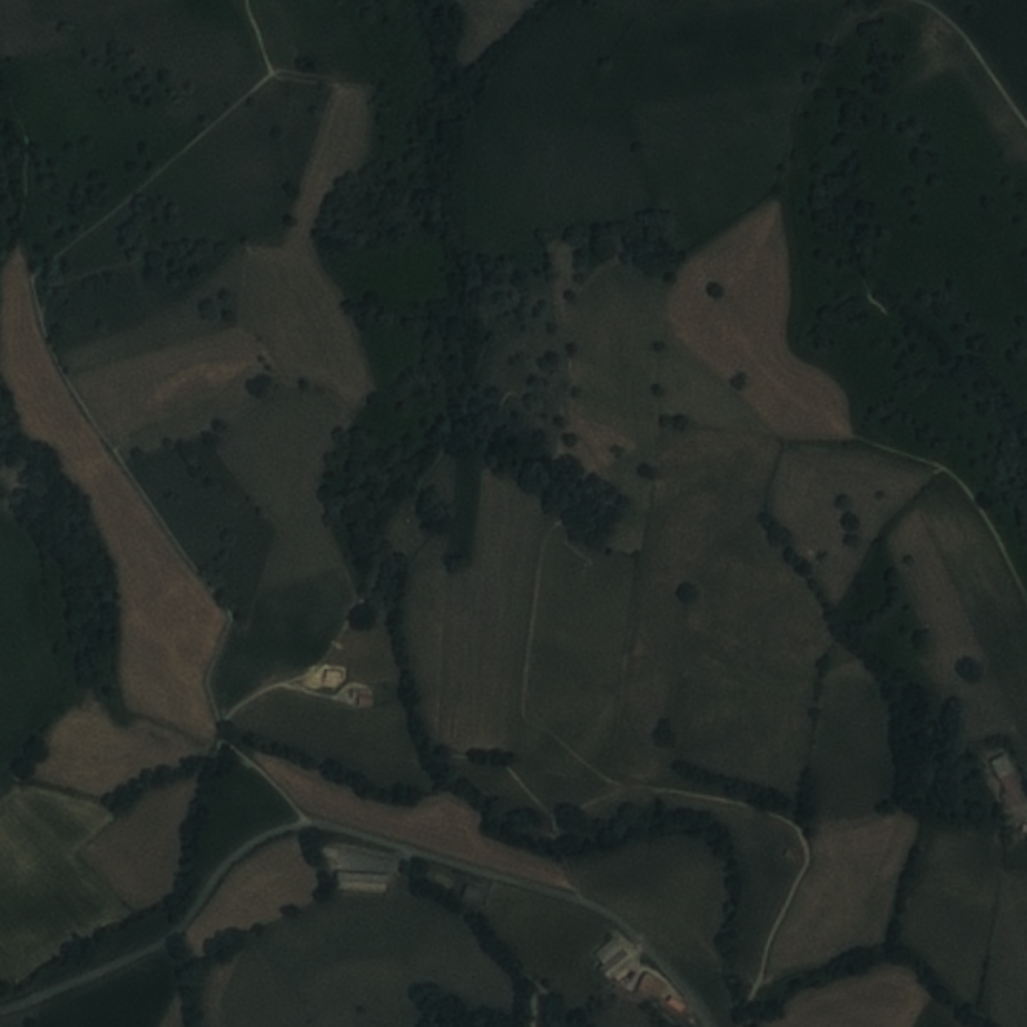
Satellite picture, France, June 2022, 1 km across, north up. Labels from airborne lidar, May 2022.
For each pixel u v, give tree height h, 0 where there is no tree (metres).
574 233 16
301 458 0
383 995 0
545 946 0
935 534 0
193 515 0
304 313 0
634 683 0
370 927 0
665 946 0
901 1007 0
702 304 0
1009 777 0
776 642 0
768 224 0
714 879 0
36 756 21
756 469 0
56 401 0
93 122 0
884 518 0
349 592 0
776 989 0
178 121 0
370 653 0
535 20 12
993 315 0
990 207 14
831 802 0
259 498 0
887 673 8
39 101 0
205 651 0
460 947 0
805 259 0
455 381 20
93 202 13
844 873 0
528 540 0
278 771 0
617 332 0
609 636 0
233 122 0
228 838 0
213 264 0
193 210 0
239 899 0
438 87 10
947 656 0
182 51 0
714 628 0
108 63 7
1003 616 0
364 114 0
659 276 11
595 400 0
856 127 19
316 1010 0
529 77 0
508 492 0
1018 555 0
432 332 12
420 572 0
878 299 10
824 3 0
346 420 0
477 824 0
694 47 0
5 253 10
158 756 0
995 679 0
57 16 0
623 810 12
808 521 0
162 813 0
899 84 0
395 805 11
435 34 14
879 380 0
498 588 0
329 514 14
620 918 0
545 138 0
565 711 0
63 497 23
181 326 0
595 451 0
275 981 0
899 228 0
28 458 18
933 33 0
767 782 0
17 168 11
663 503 0
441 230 7
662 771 0
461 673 0
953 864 0
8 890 0
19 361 0
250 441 0
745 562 0
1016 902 0
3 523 0
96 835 0
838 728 0
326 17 0
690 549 0
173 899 15
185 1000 13
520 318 12
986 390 9
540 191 0
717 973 0
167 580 0
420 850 0
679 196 0
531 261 0
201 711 0
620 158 0
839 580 0
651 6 0
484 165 0
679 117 0
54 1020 0
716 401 0
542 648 0
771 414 0
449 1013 21
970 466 8
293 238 0
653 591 0
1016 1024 0
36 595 0
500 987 0
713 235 0
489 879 0
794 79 0
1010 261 0
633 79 0
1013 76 0
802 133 0
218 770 15
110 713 0
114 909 0
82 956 16
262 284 0
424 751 16
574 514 22
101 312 0
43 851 0
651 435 0
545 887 0
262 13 0
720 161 0
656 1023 8
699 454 0
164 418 0
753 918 0
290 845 0
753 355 0
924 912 0
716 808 0
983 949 0
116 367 0
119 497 0
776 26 0
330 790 0
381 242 10
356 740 0
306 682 0
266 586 0
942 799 23
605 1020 0
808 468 0
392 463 17
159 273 15
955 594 0
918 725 16
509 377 0
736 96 0
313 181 0
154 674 0
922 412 0
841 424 0
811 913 0
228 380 0
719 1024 0
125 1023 0
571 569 0
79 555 16
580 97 0
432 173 10
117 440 0
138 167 11
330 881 16
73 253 0
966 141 0
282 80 0
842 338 0
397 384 8
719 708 0
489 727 0
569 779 0
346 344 0
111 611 27
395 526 0
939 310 17
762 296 0
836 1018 0
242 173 0
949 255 0
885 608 13
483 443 13
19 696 0
